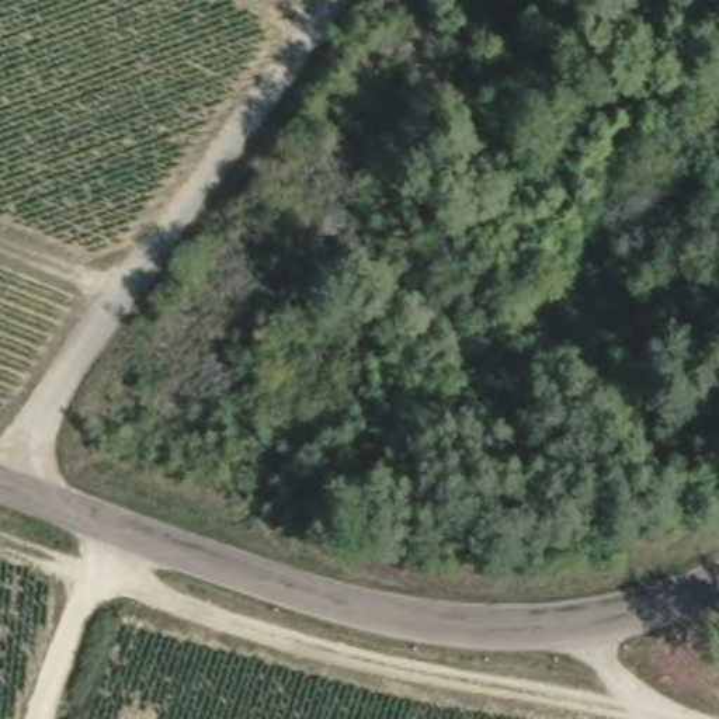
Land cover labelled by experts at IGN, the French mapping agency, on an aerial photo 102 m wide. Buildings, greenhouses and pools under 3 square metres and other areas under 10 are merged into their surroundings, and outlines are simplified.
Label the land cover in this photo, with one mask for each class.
<instances>
[{"label":"coniferous trees","instance_id":"1","mask_svg":"<svg viewBox=\"0 0 719 719\"><path fill-rule=\"evenodd\" d=\"M466 14V22L455 34V48L441 56H433L435 73L447 81L441 93L449 132L438 135L435 140L413 152L407 180L402 185V208L393 216H382L385 197L379 194L376 180L368 174L345 177L340 183L337 199L340 208L348 213L343 227L334 233L348 247V256L343 258V278L331 275L323 286H312L309 303L303 309H284L275 315L258 312L256 345L233 360V368H227L230 388L213 396L219 404L213 416L225 424V449L216 452V433L183 435L174 441L169 463L160 466L163 475L169 480H185L194 469L205 475H216L219 466L230 469V480L216 489L222 497L244 500L256 520L267 522L270 528H278L284 536L312 542L323 559L357 565H368L376 559L382 565L396 562L399 570H424L427 579L449 576L458 565H472L475 573H486L492 579L539 576L556 556L587 559L595 567V573H624L632 545H640V539L649 536V531H660L666 525L674 539H680L685 531H719V0H455ZM567 31L579 39L590 62H595L601 70H615V79L624 84L626 95H618L607 104L584 107L581 98L573 95V90L559 87L556 56L559 39ZM708 643L697 649L702 663L719 660V612H708Z\"/></svg>","mask_w":719,"mask_h":719},{"label":"herbaceous vegetation","instance_id":"2","mask_svg":"<svg viewBox=\"0 0 719 719\"><path fill-rule=\"evenodd\" d=\"M236 8H244L258 17L261 42L242 67V73L230 81V87H225L222 104L205 107L199 112H185V118L202 121L205 126L197 129L191 146L183 152L177 166L169 169V177L160 180L146 208L126 225L124 233L107 239L98 250H87L81 244H67L28 225L20 216H0V272H8L28 284L51 286L53 292L65 295V303L59 306L51 329L45 331V340L37 345V354L31 360V365L45 374L59 360L70 334L87 312L84 292L76 281L87 270H110L121 264L129 253H138L143 244L138 242V236L149 227H160V213L197 171L208 146L219 138L225 124L236 121L242 126L247 101L261 98L253 79L267 70L275 53L292 42L298 31V25L278 14V0H230ZM449 132L441 93L424 79L410 84L407 70L396 65L393 56L371 53L368 62L357 70L354 93L329 95L326 112L317 118L301 110L286 124V132L272 149V154L267 160H253L256 180L244 194H239L227 205L230 230L222 236H199L197 242L174 253L171 272L180 278V292L177 298H171L169 306L157 312V320H135L126 326L118 323L115 334L81 374L65 407L56 433V466L65 480L84 494L194 531L199 536H211L216 542L250 550L278 565H289L315 576L337 579L368 590L435 601L548 604L621 593L624 579L643 576L654 567H663L671 581H685L691 579L688 573L699 567L702 553H708L719 565V531H685L680 539H674L666 525L660 531H649V536L640 539V545H632L624 573H595V567L587 559L556 556L539 576L492 579L486 573H475L472 565H458L449 576L427 579L424 570H399L396 562L382 565L376 559L368 565H357L323 559L312 542L284 536L278 528H270L267 522L256 520L244 500L222 497L216 489L230 480V469L219 466L216 475H205L194 469L185 480H169L163 475L160 466L169 463L174 441L183 435L216 433V452L225 449V424L213 416L219 404L213 396L230 388L227 368H233V360L256 345L258 312L275 315L284 309H303L309 303L312 286H323L331 275L343 278V258L348 256V247L334 233L343 227L348 213L340 208L337 199L340 183L345 177L368 174L376 180L379 194L385 197L382 216H393L402 208V185L407 180L413 152L435 140L438 135ZM59 550L76 556L79 548L67 531L25 511L0 506V559L8 565L39 570ZM154 576L163 584L194 598L211 601L222 609L393 657L604 694L607 685L587 663L562 652H466L382 638L340 624H329L312 615H301L270 601H258L230 587L194 579L188 573L157 570ZM112 601L121 607L124 626L154 632L174 640H188L216 652L258 657L270 666H284L301 674H317L365 691L393 694L438 708L480 711L492 716L517 719H612L536 702L438 688L402 677L368 674L334 663H317L267 643H256L247 638L211 629L205 624L177 618L171 612L146 607L132 598ZM621 666H626L640 682L654 688L660 697L716 719H719V660L702 663L697 649L685 643L668 646L663 638H652L643 629L638 638L621 640L618 652Z\"/></svg>","mask_w":719,"mask_h":719},{"label":"vineyard","instance_id":"3","mask_svg":"<svg viewBox=\"0 0 719 719\"><path fill-rule=\"evenodd\" d=\"M261 42L258 17L244 8H236L230 0H0V216H20L28 225L67 244H81L87 250H98L107 239L124 233L126 225L146 208L160 180L169 177V169L177 166L183 152L191 146L197 129L205 126L202 121L185 118V112H199L205 107L222 104L225 87H230V81L242 73V67ZM65 303V295L53 292L51 286L28 284L8 272H0V435L28 404L45 374L31 365V360L37 354V345L45 340V331L51 329L59 306ZM67 604L65 584L39 570L8 565L0 559V719H25L39 668L45 663L48 646L56 635V626ZM118 646L110 652V660L104 671L95 677L93 691L81 682L76 688L65 682L56 719H517L492 716L480 711L438 708L393 694L365 691L317 674H301L284 666H270L258 657L216 652L188 640H174L154 632L124 626L112 635Z\"/></svg>","mask_w":719,"mask_h":719},{"label":"pervious surface","instance_id":"4","mask_svg":"<svg viewBox=\"0 0 719 719\"><path fill-rule=\"evenodd\" d=\"M365 0H278V14L298 25V31L292 42L275 53L267 70L253 79L261 98L247 101L242 126L236 121L225 124L219 138L208 146L197 171L160 213V227H149L138 236V242L143 244L138 253H129L121 264L110 270H87L76 281L84 292L87 312L70 334L59 360L45 374L28 404L0 435V463L14 472L34 475L51 486H62L65 480L56 466V433L65 407L81 374L115 334L118 323L124 312L132 309V295L124 286L126 275L138 270H152L154 261L146 250L163 230H169L171 225L194 222V216L202 208L205 191L219 177V166L242 154L244 138L261 124V115L270 107L267 101H278L286 76L292 79L303 67L312 45L329 42L326 31L331 25H337L340 31H351L354 6ZM65 584L67 604L56 626V635L48 646L45 663L39 668L25 719H56L65 682L73 666L84 621L98 604L112 601L132 598L146 607L171 612L177 618L205 624L211 629L247 638L256 643H267L317 663H334L368 674L402 677L438 688L536 702L612 719H716L660 697L654 688L640 682L626 666H621L618 652L612 646L598 643V638H556L548 652H562L587 663L607 685L604 694L393 657L222 609L211 601L194 598L163 584L154 576L157 570L143 556L118 550L95 539L79 548L76 556L59 550L39 570Z\"/></svg>","mask_w":719,"mask_h":719},{"label":"impervious surface","instance_id":"5","mask_svg":"<svg viewBox=\"0 0 719 719\"><path fill-rule=\"evenodd\" d=\"M0 506L25 511L67 531L79 548L95 539L118 550L143 556L157 570L188 573L194 579L230 587L258 601H270L301 615H312L329 624H340L382 638L466 652H548L556 638H598V643L612 646L618 652L621 640L638 638L643 629L652 638H663L668 646L685 643L697 649L708 643V612H719V565L708 553H702L699 567L688 573L691 579L685 581H671L663 567H654L643 576L624 579L621 593L548 604L435 601L368 590L337 579L315 576L289 565H278L250 550L216 542L211 536H199L194 531L84 494L65 480L62 486H51L34 475L14 472L0 463Z\"/></svg>","mask_w":719,"mask_h":719},{"label":"deciduous trees","instance_id":"6","mask_svg":"<svg viewBox=\"0 0 719 719\"><path fill-rule=\"evenodd\" d=\"M466 22V14L455 0H365L354 6L351 31H340L337 25H331L326 31L329 42L312 45L303 67L292 79L286 76L278 101H267L270 107L261 115V124L244 138L242 154L219 166V177L205 191L202 208L194 216V222L171 225L169 230H163L146 250L154 261L152 270H138L126 275L124 286L132 295V309L124 312L118 323L126 326L135 320H157V312L169 306L171 298H177L180 292V278L171 272L174 253L197 242L199 236H222L230 230L227 205L239 194H244L256 180L253 160H267L272 154V149L286 132V124L301 110L317 118L326 112L329 95L354 93L357 70L368 62L371 53L393 56L396 65L407 70L410 84L424 79L441 93L447 81L435 73L433 56H441L455 48V34ZM559 87L573 90V95L581 98L584 107L607 104L618 95H626L624 84L615 79V70H601L595 62H590L579 39L567 31L559 39L556 56Z\"/></svg>","mask_w":719,"mask_h":719},{"label":"brushwood","instance_id":"7","mask_svg":"<svg viewBox=\"0 0 719 719\"><path fill-rule=\"evenodd\" d=\"M124 626L121 607L112 601L98 604L84 621L73 666L65 682L76 688L81 682L93 691L95 677L104 671L110 660V652L118 646L112 635Z\"/></svg>","mask_w":719,"mask_h":719}]
</instances>
